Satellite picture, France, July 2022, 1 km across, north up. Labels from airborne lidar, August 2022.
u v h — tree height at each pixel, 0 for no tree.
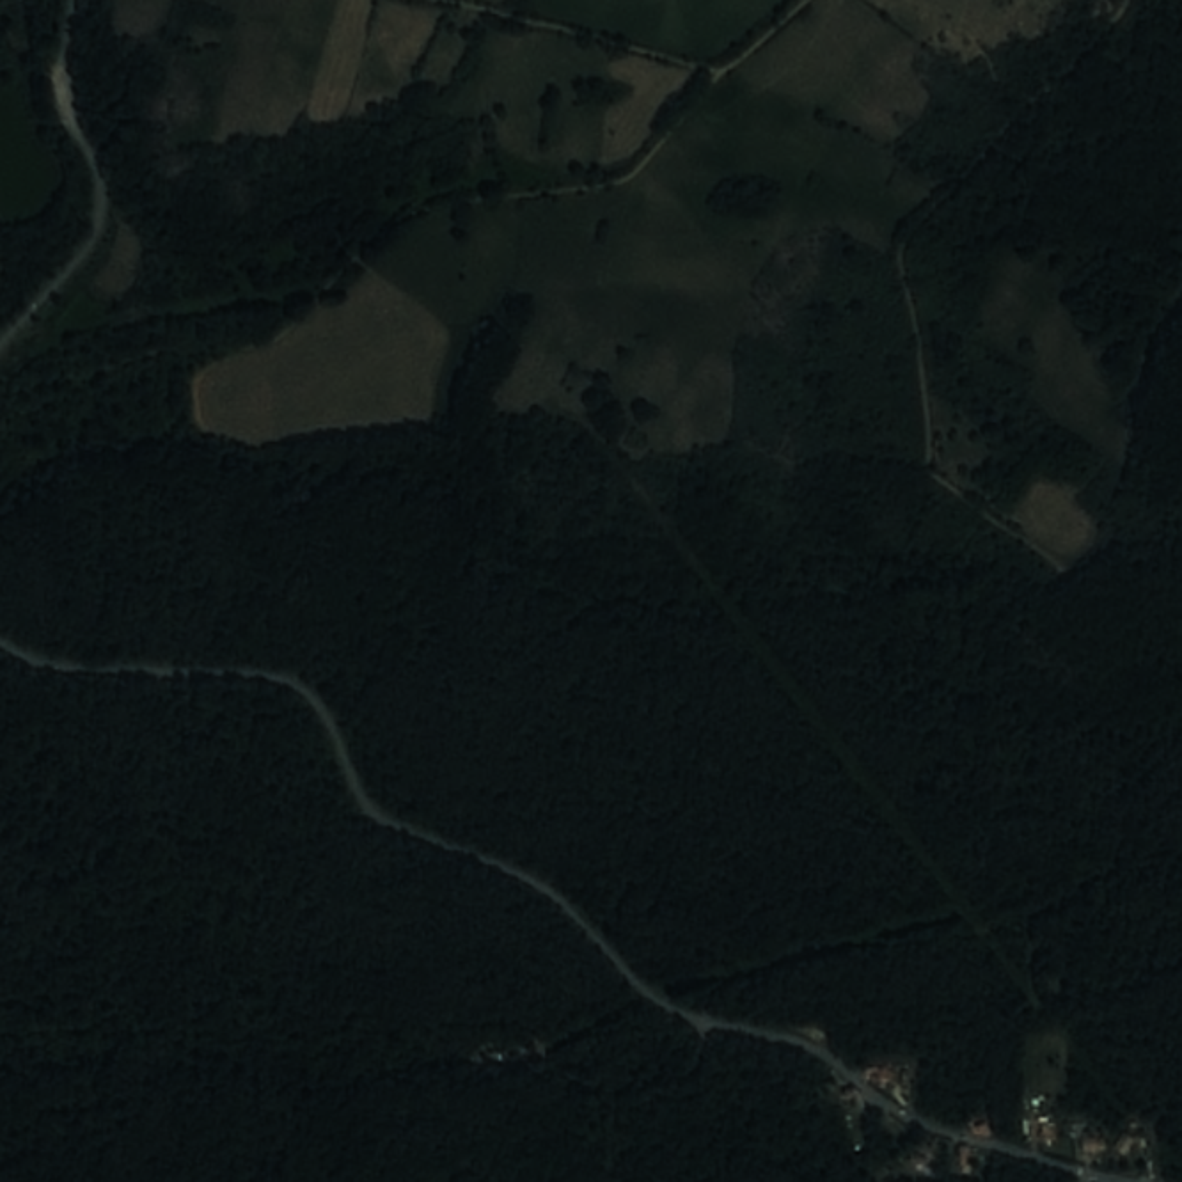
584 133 0
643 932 20
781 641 17
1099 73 17
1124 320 11
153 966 20
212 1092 16
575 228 0
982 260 9
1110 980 17
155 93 10
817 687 21
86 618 23
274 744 14
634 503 7
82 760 20
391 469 8
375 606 17
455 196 6
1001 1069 19
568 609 15
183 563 19
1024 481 7
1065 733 21
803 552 9
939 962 21
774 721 20
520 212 6
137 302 9
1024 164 15
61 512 18
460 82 6
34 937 17
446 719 21
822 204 0
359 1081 21
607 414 11
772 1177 19
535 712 20
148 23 0
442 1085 19
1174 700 16
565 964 23
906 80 0
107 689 18
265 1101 23
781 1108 22
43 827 18
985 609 15
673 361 0
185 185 17
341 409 0
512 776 20
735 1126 15
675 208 0
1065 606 14
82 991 20
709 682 18
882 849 24
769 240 0
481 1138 20
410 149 11
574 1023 15
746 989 13
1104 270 12
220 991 19
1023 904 18
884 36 0
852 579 16
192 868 15
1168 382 15
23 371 7
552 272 0
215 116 0
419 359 0
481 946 23
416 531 22
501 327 14
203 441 11
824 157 0
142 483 13
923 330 6
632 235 0
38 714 19
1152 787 22
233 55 0
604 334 0
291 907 18
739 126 0
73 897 21
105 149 22
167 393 9
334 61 0
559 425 7
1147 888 16
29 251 15
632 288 0
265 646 17
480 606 20
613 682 19
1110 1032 15
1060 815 17
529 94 0
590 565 9
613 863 22
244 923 18
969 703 21
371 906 20
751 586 13
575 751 20
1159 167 19
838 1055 12
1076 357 0
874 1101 0
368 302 0
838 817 20
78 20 8
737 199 9
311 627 16
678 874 19
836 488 11
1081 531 0
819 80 0
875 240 0
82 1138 24
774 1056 19
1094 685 20
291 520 25
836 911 21
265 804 17
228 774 18
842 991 18
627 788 15
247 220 16
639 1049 21
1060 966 18
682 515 10
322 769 9
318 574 22
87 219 11
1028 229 16
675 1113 18
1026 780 8
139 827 20
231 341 15
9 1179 26
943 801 23
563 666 22
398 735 20
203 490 19
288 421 0
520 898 18
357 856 23
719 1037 11
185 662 16
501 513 14
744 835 18
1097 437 0
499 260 0
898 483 12
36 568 20
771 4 0
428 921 19
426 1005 21
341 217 16
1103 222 18
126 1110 21
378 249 16
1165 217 22
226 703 17
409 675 20
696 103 14
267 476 25
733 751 21
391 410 0
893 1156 12
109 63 21
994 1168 8
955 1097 15
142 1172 24
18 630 16
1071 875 18
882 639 22
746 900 20
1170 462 13
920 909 13
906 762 18
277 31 0
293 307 20
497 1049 8
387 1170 23
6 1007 15
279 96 0
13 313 13
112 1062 20
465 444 13
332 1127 18
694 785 22
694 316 0
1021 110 10
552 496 8
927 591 24
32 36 13
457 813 13
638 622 20
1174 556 14
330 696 17
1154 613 15
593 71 0
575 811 21
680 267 0
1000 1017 19
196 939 15
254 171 14
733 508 15
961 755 19
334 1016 21
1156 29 11
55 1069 20
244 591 16
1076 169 15
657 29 0
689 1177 17
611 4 0
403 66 0
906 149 10
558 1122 16
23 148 0
